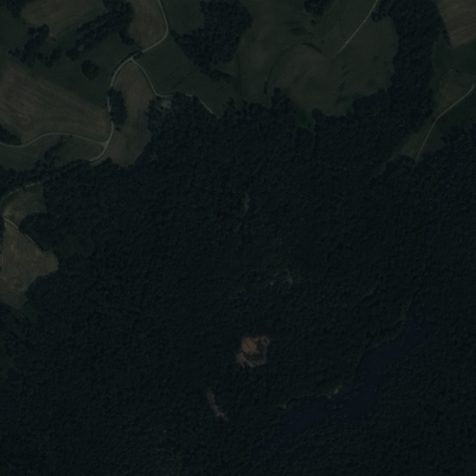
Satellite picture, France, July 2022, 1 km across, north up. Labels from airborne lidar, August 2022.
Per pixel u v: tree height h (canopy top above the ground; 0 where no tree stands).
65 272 19
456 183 32
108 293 12
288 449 22
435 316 23
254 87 0
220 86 0
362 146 28
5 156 0
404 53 15
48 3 0
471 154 30
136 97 0
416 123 22
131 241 25
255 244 20
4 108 0
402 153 0
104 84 0
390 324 16
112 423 20
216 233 29
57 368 27
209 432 27
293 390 20
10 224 0
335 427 22
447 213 26
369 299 20
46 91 0
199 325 28
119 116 8
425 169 30
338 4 0
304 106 0
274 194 32
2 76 0
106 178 21
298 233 24
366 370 26
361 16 0
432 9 19
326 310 20
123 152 0
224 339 23
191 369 27
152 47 0
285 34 0
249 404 30
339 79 0
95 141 0
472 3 0
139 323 27
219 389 13
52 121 0
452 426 21
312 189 25
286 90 0
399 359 31
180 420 34
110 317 27
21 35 0
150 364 25
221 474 29
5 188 18
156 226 22
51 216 14
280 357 19
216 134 26
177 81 0
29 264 0
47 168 17
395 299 22
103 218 19
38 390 24
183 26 0
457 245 15
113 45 0
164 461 14
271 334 18
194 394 22
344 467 16
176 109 12
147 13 0
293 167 30
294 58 0
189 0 0
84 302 30
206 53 8
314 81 0
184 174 25
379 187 18
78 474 22
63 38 0
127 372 31
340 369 23
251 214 11
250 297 13
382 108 25
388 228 24
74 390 26
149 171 34
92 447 30
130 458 16
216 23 7
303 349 20
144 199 23
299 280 11
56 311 6
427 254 16
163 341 21
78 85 0
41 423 22
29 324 26
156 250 21
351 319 21
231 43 20
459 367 22
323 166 26
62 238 23
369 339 14
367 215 30
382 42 0
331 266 23
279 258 9
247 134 27
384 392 21
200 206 27
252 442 22
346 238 27
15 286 0
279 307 21
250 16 12
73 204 18
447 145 6
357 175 22
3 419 17
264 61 0
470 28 0
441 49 0
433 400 21
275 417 24
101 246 23
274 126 28
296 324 15
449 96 0
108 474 21
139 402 27
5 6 14
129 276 20
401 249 28
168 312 27
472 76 0
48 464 23
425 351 23
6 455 13
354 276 20
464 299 22
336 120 23
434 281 22
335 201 26
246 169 29
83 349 29
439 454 19
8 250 0
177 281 25
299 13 0
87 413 30
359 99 0
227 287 16
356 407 18
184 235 25
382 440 15
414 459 17
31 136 0
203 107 10
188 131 20
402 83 21
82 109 0
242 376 17
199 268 29
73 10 0
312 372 18
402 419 12
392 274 26
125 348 21
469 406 21
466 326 16
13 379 24
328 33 0
